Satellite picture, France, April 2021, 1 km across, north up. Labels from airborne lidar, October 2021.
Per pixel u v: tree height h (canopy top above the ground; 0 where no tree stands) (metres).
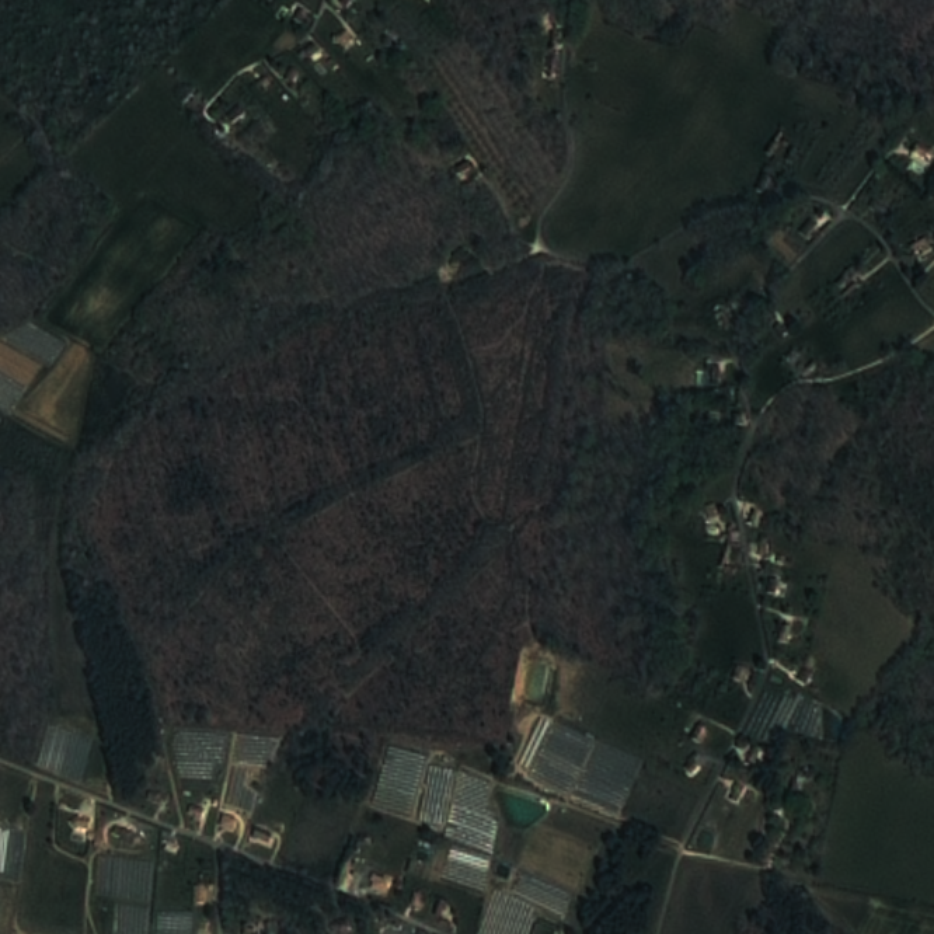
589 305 17
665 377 0
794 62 18
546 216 0
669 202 0
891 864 0
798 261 0
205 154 0
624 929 16
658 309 24
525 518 6
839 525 17
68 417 0
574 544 15
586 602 10
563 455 11
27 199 20
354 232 12
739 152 0
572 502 26
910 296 0
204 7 7
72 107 8
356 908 17
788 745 8
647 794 0
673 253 0
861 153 6
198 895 0
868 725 9
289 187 9
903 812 0
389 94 0
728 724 0
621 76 0
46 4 6
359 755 12
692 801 0
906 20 7
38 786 0
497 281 13
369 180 20
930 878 0
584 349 17
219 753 0
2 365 0
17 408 0
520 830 0
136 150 0
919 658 19
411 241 16
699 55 0
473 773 0
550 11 22
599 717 0
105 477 9
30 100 7
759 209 10
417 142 22
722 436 19
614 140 0
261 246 12
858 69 16
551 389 12
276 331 15
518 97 15
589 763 0
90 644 18
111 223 12
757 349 14
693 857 0
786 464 17
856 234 0
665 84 0
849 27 10
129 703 15
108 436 12
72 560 11
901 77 9
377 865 0
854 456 7
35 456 7
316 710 9
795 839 10
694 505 25
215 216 0
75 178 15
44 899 0
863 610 0
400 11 7
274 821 0
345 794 17
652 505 26
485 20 7
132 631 9
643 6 21
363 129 17
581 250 0
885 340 0
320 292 16
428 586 6
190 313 15
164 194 0
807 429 17
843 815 0
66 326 0
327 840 0
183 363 10
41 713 11
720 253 20
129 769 16
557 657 19
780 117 0
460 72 14
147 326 12
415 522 6
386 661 8
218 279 16
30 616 10
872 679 0
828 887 6
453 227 14
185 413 8
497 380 0
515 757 0
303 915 18
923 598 8
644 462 18
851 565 0
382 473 7
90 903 0
